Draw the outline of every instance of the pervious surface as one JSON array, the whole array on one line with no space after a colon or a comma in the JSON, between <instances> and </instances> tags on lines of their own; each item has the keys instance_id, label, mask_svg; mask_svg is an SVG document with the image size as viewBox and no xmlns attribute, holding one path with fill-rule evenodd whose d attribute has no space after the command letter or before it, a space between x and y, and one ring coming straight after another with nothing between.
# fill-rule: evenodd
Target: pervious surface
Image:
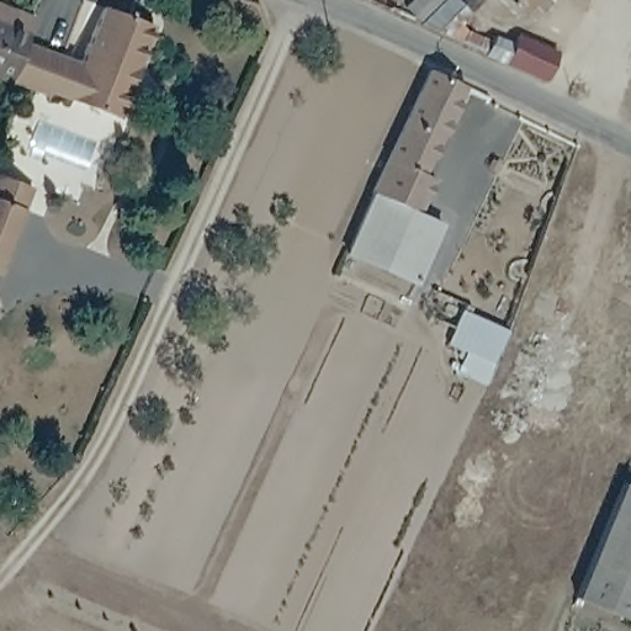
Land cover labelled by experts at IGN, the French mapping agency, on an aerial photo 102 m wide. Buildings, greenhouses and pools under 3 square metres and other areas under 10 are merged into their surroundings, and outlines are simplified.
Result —
<instances>
[{"instance_id":1,"label":"pervious surface","mask_svg":"<svg viewBox=\"0 0 631 631\"><path fill-rule=\"evenodd\" d=\"M229 148L212 168L205 185L202 197L190 217L190 224L173 254L165 279L158 301L150 306L136 338L136 345L104 407L99 426L79 458L79 463L62 478L67 481L62 493L39 513L35 523L27 527L27 535L20 540L20 545L5 557L5 562L0 562L0 592L32 560L39 545L67 518L69 510L81 513L96 493L96 488L111 491L113 481L126 478L133 471L138 454L150 441L140 439L133 431L128 421L128 409L136 404L138 397L160 397L168 404L168 412L180 409L185 404L185 394L197 397L200 382L170 380L165 370L158 365L155 352L168 330L170 320L177 316L177 293L182 288L182 281L195 269L197 256L207 249L207 229L217 219L227 187L251 138L251 131L264 111L264 104L281 71L283 59L291 52L296 30L313 17L311 7L288 0L259 0L259 10L254 12L259 22L269 30L269 42L264 52L259 59L259 71L237 116Z\"/></svg>"},{"instance_id":2,"label":"pervious surface","mask_svg":"<svg viewBox=\"0 0 631 631\"><path fill-rule=\"evenodd\" d=\"M466 495L456 505L458 527L476 525L483 510L481 495L483 486L493 476L493 451L481 451L476 456L476 463L466 461L466 471L461 476Z\"/></svg>"},{"instance_id":3,"label":"pervious surface","mask_svg":"<svg viewBox=\"0 0 631 631\"><path fill-rule=\"evenodd\" d=\"M589 286L589 279L596 269L599 246L606 242L609 227L614 222L614 205L619 200L621 187L631 190L631 158L606 148L601 140L592 136L574 136L574 128L527 108L525 104L510 101L503 94L495 94L488 84L466 79L463 71L456 69L456 64L444 52L426 54L421 59L419 54L399 44L362 32L352 25L348 25L345 32L352 32L392 54L399 54L429 74L441 71L468 89L491 94L491 101L486 106L493 108L500 118L510 121L513 111L520 111L520 123L530 126L537 136L567 148L592 145L596 153L596 180L589 197L584 229L579 232L579 246L574 251L574 271L569 283L564 286L564 298L557 298L555 291L540 293L535 313L542 320L547 320L547 328L542 335L530 338L540 340L537 355L518 355L518 389L500 389L508 412L495 414L493 421L505 444L515 444L527 429L557 429L560 424L560 412L567 407L572 394L572 367L579 362L582 350L592 350L592 343L582 343L577 338L564 335L564 330L572 323L567 311L569 303L579 301Z\"/></svg>"},{"instance_id":4,"label":"pervious surface","mask_svg":"<svg viewBox=\"0 0 631 631\"><path fill-rule=\"evenodd\" d=\"M631 136L631 0L552 0L550 10L547 15L540 15L530 30L535 35L552 39L560 47L562 59L557 74L550 81L545 81L523 69L515 69L510 62L500 62L498 71L503 76L523 81L537 91L552 94L564 106L584 108L594 116L601 116L621 126Z\"/></svg>"}]
</instances>

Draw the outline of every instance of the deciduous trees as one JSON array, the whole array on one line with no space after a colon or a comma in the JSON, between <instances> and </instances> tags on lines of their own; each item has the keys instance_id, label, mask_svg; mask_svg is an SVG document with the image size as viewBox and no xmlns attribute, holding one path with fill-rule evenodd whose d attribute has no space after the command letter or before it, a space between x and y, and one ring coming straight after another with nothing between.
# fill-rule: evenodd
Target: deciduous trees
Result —
<instances>
[{"instance_id":1,"label":"deciduous trees","mask_svg":"<svg viewBox=\"0 0 631 631\"><path fill-rule=\"evenodd\" d=\"M276 232L271 227L251 224L249 212L237 214L234 222L217 219L207 229L207 249L212 259L217 259L224 266L224 271L249 266L254 271L264 271L269 266L266 251L276 246Z\"/></svg>"},{"instance_id":2,"label":"deciduous trees","mask_svg":"<svg viewBox=\"0 0 631 631\"><path fill-rule=\"evenodd\" d=\"M69 335L79 343L84 352L94 355L104 348L116 350L128 340L128 333L116 330L116 313L111 311L111 306L84 308L76 313Z\"/></svg>"},{"instance_id":3,"label":"deciduous trees","mask_svg":"<svg viewBox=\"0 0 631 631\"><path fill-rule=\"evenodd\" d=\"M37 419L30 417L22 407L5 409L0 414L0 456L10 454L10 446L30 451L35 436Z\"/></svg>"},{"instance_id":4,"label":"deciduous trees","mask_svg":"<svg viewBox=\"0 0 631 631\"><path fill-rule=\"evenodd\" d=\"M158 441L165 434L168 412L168 404L160 397L138 397L136 404L128 409L128 421L133 431L140 439L150 441Z\"/></svg>"},{"instance_id":5,"label":"deciduous trees","mask_svg":"<svg viewBox=\"0 0 631 631\"><path fill-rule=\"evenodd\" d=\"M0 79L0 177L2 177L7 168L15 165L10 121L15 116L32 116L32 96L30 89L15 84L12 79Z\"/></svg>"},{"instance_id":6,"label":"deciduous trees","mask_svg":"<svg viewBox=\"0 0 631 631\"><path fill-rule=\"evenodd\" d=\"M291 52L311 74L318 74L323 69L340 69L343 59L338 35L330 25L313 17L296 30Z\"/></svg>"},{"instance_id":7,"label":"deciduous trees","mask_svg":"<svg viewBox=\"0 0 631 631\"><path fill-rule=\"evenodd\" d=\"M168 330L155 352L158 365L165 370L170 380L200 382L202 367L197 365L190 343L182 335Z\"/></svg>"},{"instance_id":8,"label":"deciduous trees","mask_svg":"<svg viewBox=\"0 0 631 631\"><path fill-rule=\"evenodd\" d=\"M145 7L150 15L163 15L165 20L190 25L192 0L140 0L140 7Z\"/></svg>"},{"instance_id":9,"label":"deciduous trees","mask_svg":"<svg viewBox=\"0 0 631 631\"><path fill-rule=\"evenodd\" d=\"M219 79L205 89L205 118L180 121L177 104L173 99L173 86L190 84L192 74L197 71L197 64L190 62L180 42L173 42L163 35L160 42L153 47L150 64L160 74L163 86L153 94L145 91L140 99L131 101L126 116L128 121L136 128L153 131L158 138L168 136L182 155L197 153L200 163L210 163L212 168L229 148L237 116L227 111L227 104L232 101L232 94L237 89L237 79L229 76L229 71L222 64Z\"/></svg>"},{"instance_id":10,"label":"deciduous trees","mask_svg":"<svg viewBox=\"0 0 631 631\"><path fill-rule=\"evenodd\" d=\"M118 232L121 251L131 259L136 269L143 269L148 276L165 279L173 254L190 224L190 217L202 197L205 185L173 182L165 190L170 195L168 212L138 207L136 217L126 217L118 210L113 229Z\"/></svg>"},{"instance_id":11,"label":"deciduous trees","mask_svg":"<svg viewBox=\"0 0 631 631\"><path fill-rule=\"evenodd\" d=\"M246 30L234 10L217 5L210 7L205 25L195 32L207 44L205 57L217 59L222 52L234 52L242 39L251 52L264 52L269 42L269 30L259 22L256 27Z\"/></svg>"},{"instance_id":12,"label":"deciduous trees","mask_svg":"<svg viewBox=\"0 0 631 631\"><path fill-rule=\"evenodd\" d=\"M207 343L210 350L227 348L227 325L254 306L251 293L242 283L237 288L227 288L224 298L219 298L219 293L205 296L195 308L185 308L180 313L180 320L187 325L187 330L197 335L202 343Z\"/></svg>"},{"instance_id":13,"label":"deciduous trees","mask_svg":"<svg viewBox=\"0 0 631 631\"><path fill-rule=\"evenodd\" d=\"M27 473L5 468L5 473L0 476L0 518L5 518L7 523L17 523L20 527L27 527L35 523L39 513L37 491Z\"/></svg>"},{"instance_id":14,"label":"deciduous trees","mask_svg":"<svg viewBox=\"0 0 631 631\"><path fill-rule=\"evenodd\" d=\"M138 197L143 190L148 190L153 177L153 153L143 153L143 138L133 136L126 145L121 145L123 155L116 165L106 168L104 163L99 163L99 170L113 190L113 200Z\"/></svg>"},{"instance_id":15,"label":"deciduous trees","mask_svg":"<svg viewBox=\"0 0 631 631\"><path fill-rule=\"evenodd\" d=\"M271 197L269 210L276 219L286 224L286 219L293 214L293 205L286 192L276 192Z\"/></svg>"},{"instance_id":16,"label":"deciduous trees","mask_svg":"<svg viewBox=\"0 0 631 631\"><path fill-rule=\"evenodd\" d=\"M47 330L42 335L35 335L35 345L27 348L22 355L22 365L30 372L42 372L54 362L52 333Z\"/></svg>"}]
</instances>

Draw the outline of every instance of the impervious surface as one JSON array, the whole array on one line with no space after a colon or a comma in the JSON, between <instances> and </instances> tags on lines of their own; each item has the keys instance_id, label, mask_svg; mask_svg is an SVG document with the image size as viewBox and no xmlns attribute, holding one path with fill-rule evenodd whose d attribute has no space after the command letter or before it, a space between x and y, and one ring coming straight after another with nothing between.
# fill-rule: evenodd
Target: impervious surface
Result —
<instances>
[{"instance_id":1,"label":"impervious surface","mask_svg":"<svg viewBox=\"0 0 631 631\"><path fill-rule=\"evenodd\" d=\"M106 259L108 237L113 229L118 210L106 214L99 237L86 249L59 244L44 227L44 180L49 177L59 195L69 195L74 200L81 197L84 187L96 187L99 170L99 163L104 145L113 138L116 131L123 131L128 126L128 121L126 116L94 108L89 104L71 104L59 94L49 101L44 94L32 96L32 116L15 116L10 121L15 165L7 168L2 177L20 182L32 180L35 197L30 205L32 217L27 219L25 232L17 242L7 276L0 279L0 318L2 303L22 303L25 298L49 293L71 298L76 291L94 288L104 296L121 291L136 298L138 293L145 293L150 298L150 306L158 301L165 279L148 276L140 276L138 271L131 271Z\"/></svg>"},{"instance_id":2,"label":"impervious surface","mask_svg":"<svg viewBox=\"0 0 631 631\"><path fill-rule=\"evenodd\" d=\"M582 599L587 592L592 572L614 525L614 518L631 486L631 463L621 463L616 468L606 498L599 508L599 515L592 525L592 532L572 574L572 596L577 599Z\"/></svg>"},{"instance_id":3,"label":"impervious surface","mask_svg":"<svg viewBox=\"0 0 631 631\"><path fill-rule=\"evenodd\" d=\"M311 7L313 17L330 25L338 35L345 32L348 25L352 25L362 32L399 44L419 54L421 59L426 54L444 52L456 64L456 69L463 71L466 79L488 84L495 94L503 94L510 101L525 104L527 108L574 128L574 136L592 136L601 140L606 148L631 158L631 136L621 126L601 116L594 116L584 108L564 106L552 94L537 91L523 81L503 76L498 71L500 62L493 57L493 47L488 42L481 44L471 35L466 39L451 39L446 30L434 32L419 25L414 15L404 12L414 0L288 0Z\"/></svg>"},{"instance_id":4,"label":"impervious surface","mask_svg":"<svg viewBox=\"0 0 631 631\"><path fill-rule=\"evenodd\" d=\"M74 59L86 59L86 49L91 44L96 27L101 25L106 7L136 15L140 7L140 0L44 0L39 30L35 32L32 42L47 49L49 54L62 52L64 57Z\"/></svg>"},{"instance_id":5,"label":"impervious surface","mask_svg":"<svg viewBox=\"0 0 631 631\"><path fill-rule=\"evenodd\" d=\"M446 340L454 340L463 313L473 313L478 308L468 303L468 298L446 288L444 276L454 271L454 261L458 259L461 246L468 242L468 227L483 202L486 185L493 175L493 163L505 158L505 150L520 123L520 111L513 111L510 121L500 118L493 108L486 106L491 101L491 94L468 89L471 101L461 116L461 126L444 145L439 145L441 160L434 165L441 175L441 182L434 185L436 197L429 205L426 214L446 222L449 232L436 251L436 259L429 269L429 283L421 288L417 303L419 311L426 313L426 318L446 323Z\"/></svg>"}]
</instances>

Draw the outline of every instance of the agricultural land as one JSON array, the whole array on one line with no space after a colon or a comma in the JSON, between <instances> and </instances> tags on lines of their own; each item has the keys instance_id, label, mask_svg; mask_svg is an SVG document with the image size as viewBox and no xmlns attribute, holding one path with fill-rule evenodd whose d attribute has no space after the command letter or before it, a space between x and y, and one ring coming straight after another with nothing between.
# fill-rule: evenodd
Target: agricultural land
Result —
<instances>
[{"instance_id":1,"label":"agricultural land","mask_svg":"<svg viewBox=\"0 0 631 631\"><path fill-rule=\"evenodd\" d=\"M352 251L357 232L372 205L377 182L392 158L392 150L412 116L412 108L429 74L399 54L392 54L352 32L345 32L338 35L343 59L340 69L323 69L318 74L311 74L291 52L283 59L281 71L264 104L264 111L251 131L251 138L227 187L217 219L234 222L237 214L249 212L251 224L271 227L276 232L276 246L266 251L269 266L264 271L254 271L249 266L224 271L224 266L217 259L212 259L207 249L197 256L195 269L182 281L182 288L177 293L177 316L170 320L168 330L182 335L190 343L197 365L202 367L200 382L197 397L185 394L185 404L180 409L168 412L165 434L158 441L150 441L138 454L133 471L126 478L113 481L111 491L96 488L96 493L81 513L69 510L67 518L39 545L32 560L0 592L0 631L377 631L387 604L392 601L392 594L397 592L399 577L409 562L417 535L451 468L454 456L458 454L461 441L466 439L466 431L488 385L461 377L466 357L461 348L454 345L454 340L446 340L446 323L426 318L426 313L419 311L417 303L412 308L402 308L394 325L367 318L360 313L362 293L350 283L343 283L338 274L345 266L348 254ZM276 219L269 210L271 197L276 192L286 192L293 205L293 214L286 219L286 224ZM197 335L187 330L187 325L180 320L180 313L185 308L195 308L205 296L219 293L219 298L224 298L227 288L237 288L242 283L251 293L254 306L227 325L227 348L210 350L207 343L202 343ZM397 343L402 343L402 355L397 357L392 377L380 394L367 431L360 439L357 454L348 466L348 473L343 476L343 486L335 495L335 503L328 508L320 535L311 547L311 557L306 560L301 577L293 584L293 592L288 594L288 606L281 611L281 624L274 624L276 606L281 604L293 567L298 564L301 550L316 525L323 500L328 500L330 486L335 483L335 476L345 461L345 454L352 444L367 402L375 394L375 387ZM424 355L389 424L389 431L382 434L380 424L389 412L389 404L407 375L407 367L417 348L424 348ZM281 389L298 389L301 377L306 377L311 367L320 367L323 355L328 355L328 365L318 380L318 387L311 402L298 407L298 414L293 417L283 436L283 444L256 495L256 503L227 562L212 604L195 601L192 594L202 562L239 491L239 483L249 468L249 461L269 424L269 417L281 397ZM412 525L402 545L394 545L394 535L399 530L404 513L409 510L409 503L419 483L426 483L426 493L412 518Z\"/></svg>"},{"instance_id":2,"label":"agricultural land","mask_svg":"<svg viewBox=\"0 0 631 631\"><path fill-rule=\"evenodd\" d=\"M599 621L584 621L579 631L631 631L631 629L624 626L621 616L601 616Z\"/></svg>"}]
</instances>

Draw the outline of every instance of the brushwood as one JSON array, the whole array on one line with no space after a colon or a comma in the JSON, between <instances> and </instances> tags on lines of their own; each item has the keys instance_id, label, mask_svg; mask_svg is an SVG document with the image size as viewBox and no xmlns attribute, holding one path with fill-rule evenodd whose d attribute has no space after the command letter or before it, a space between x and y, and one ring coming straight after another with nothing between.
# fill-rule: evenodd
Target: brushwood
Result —
<instances>
[{"instance_id":1,"label":"brushwood","mask_svg":"<svg viewBox=\"0 0 631 631\"><path fill-rule=\"evenodd\" d=\"M237 79L237 89L232 94L232 101L227 104L227 111L237 116L259 71L259 59L249 54Z\"/></svg>"},{"instance_id":2,"label":"brushwood","mask_svg":"<svg viewBox=\"0 0 631 631\"><path fill-rule=\"evenodd\" d=\"M345 454L345 461L335 476L335 483L330 486L328 500L323 500L316 525L301 550L298 564L293 567L281 604L276 606L274 624L281 624L281 611L288 606L288 594L293 592L293 584L301 577L306 560L311 557L311 547L320 535L328 508L335 503L335 495L343 486L343 476L348 473L348 466L357 454L360 439L367 431L380 394L392 377L397 357L402 355L402 343L397 343L375 387L375 394L367 402L352 444Z\"/></svg>"},{"instance_id":3,"label":"brushwood","mask_svg":"<svg viewBox=\"0 0 631 631\"><path fill-rule=\"evenodd\" d=\"M128 320L128 333L128 340L116 350L74 444L71 449L79 458L99 426L104 407L136 345L136 338L150 306L150 298L145 293L138 293L136 298L136 308Z\"/></svg>"},{"instance_id":4,"label":"brushwood","mask_svg":"<svg viewBox=\"0 0 631 631\"><path fill-rule=\"evenodd\" d=\"M409 503L409 510L404 513L399 530L394 535L394 545L402 545L412 525L412 518L426 493L426 483L419 483Z\"/></svg>"},{"instance_id":5,"label":"brushwood","mask_svg":"<svg viewBox=\"0 0 631 631\"><path fill-rule=\"evenodd\" d=\"M525 207L525 222L532 229L532 242L527 246L525 274L530 274L535 266L545 229L557 205L555 200L547 200L547 207L542 210L540 219L532 219L532 205Z\"/></svg>"},{"instance_id":6,"label":"brushwood","mask_svg":"<svg viewBox=\"0 0 631 631\"><path fill-rule=\"evenodd\" d=\"M505 316L495 316L491 311L478 308L473 313L483 320L508 328L523 301L525 286L520 281L513 288Z\"/></svg>"},{"instance_id":7,"label":"brushwood","mask_svg":"<svg viewBox=\"0 0 631 631\"><path fill-rule=\"evenodd\" d=\"M380 424L382 434L389 431L389 424L424 355L424 348L417 348L407 367L407 375L389 404L389 412Z\"/></svg>"}]
</instances>

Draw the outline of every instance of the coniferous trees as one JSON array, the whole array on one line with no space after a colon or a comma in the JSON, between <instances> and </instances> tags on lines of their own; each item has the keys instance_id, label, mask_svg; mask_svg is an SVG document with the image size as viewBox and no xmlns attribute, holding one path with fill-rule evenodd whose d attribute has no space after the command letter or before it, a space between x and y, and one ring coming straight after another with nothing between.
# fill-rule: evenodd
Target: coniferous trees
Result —
<instances>
[{"instance_id":1,"label":"coniferous trees","mask_svg":"<svg viewBox=\"0 0 631 631\"><path fill-rule=\"evenodd\" d=\"M62 478L79 463L79 458L71 449L74 444L67 444L62 439L59 444L47 446L35 436L30 451L42 473Z\"/></svg>"}]
</instances>

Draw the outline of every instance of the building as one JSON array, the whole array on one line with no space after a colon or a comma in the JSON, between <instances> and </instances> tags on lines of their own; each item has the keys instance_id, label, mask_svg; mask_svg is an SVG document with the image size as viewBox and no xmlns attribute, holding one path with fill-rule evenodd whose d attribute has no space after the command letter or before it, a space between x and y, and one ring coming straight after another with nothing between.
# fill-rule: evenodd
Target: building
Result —
<instances>
[{"instance_id":1,"label":"building","mask_svg":"<svg viewBox=\"0 0 631 631\"><path fill-rule=\"evenodd\" d=\"M577 599L577 609L601 616L621 616L624 626L631 629L631 486L614 518L614 525L592 572L587 592L582 599Z\"/></svg>"},{"instance_id":2,"label":"building","mask_svg":"<svg viewBox=\"0 0 631 631\"><path fill-rule=\"evenodd\" d=\"M436 197L434 185L441 182L441 175L434 165L441 160L439 145L444 145L461 126L461 116L471 101L468 89L441 71L429 74L412 108L412 116L392 150L392 158L377 182L372 205L357 232L352 251L348 254L345 266L338 274L343 283L350 283L362 293L380 296L389 306L402 308L412 308L417 303L421 288L429 283L429 269L436 259L436 251L449 232L446 222L426 214L429 205Z\"/></svg>"},{"instance_id":3,"label":"building","mask_svg":"<svg viewBox=\"0 0 631 631\"><path fill-rule=\"evenodd\" d=\"M454 345L461 348L466 357L461 377L488 385L510 340L508 328L483 320L473 313L463 313L454 340Z\"/></svg>"},{"instance_id":4,"label":"building","mask_svg":"<svg viewBox=\"0 0 631 631\"><path fill-rule=\"evenodd\" d=\"M530 0L530 7L525 12L540 7L550 10L552 0Z\"/></svg>"},{"instance_id":5,"label":"building","mask_svg":"<svg viewBox=\"0 0 631 631\"><path fill-rule=\"evenodd\" d=\"M552 39L535 35L530 30L481 30L476 25L468 25L466 30L454 27L451 20L461 15L463 7L478 10L488 0L414 0L404 12L414 15L419 25L434 32L446 30L451 39L466 39L471 35L481 44L488 42L493 47L493 57L500 62L510 62L515 69L523 69L545 81L550 81L557 74L562 59L560 47Z\"/></svg>"},{"instance_id":6,"label":"building","mask_svg":"<svg viewBox=\"0 0 631 631\"><path fill-rule=\"evenodd\" d=\"M86 59L74 59L64 57L62 52L49 54L47 49L32 42L35 32L39 30L44 0L0 0L0 79L12 79L15 84L30 89L32 96L44 94L49 101L59 94L71 104L89 104L94 108L126 116L131 101L131 86L136 86L143 79L143 69L150 64L153 47L160 42L163 35L160 30L155 30L153 20L143 20L136 15L106 7L101 25L96 27L91 44L86 49Z\"/></svg>"},{"instance_id":7,"label":"building","mask_svg":"<svg viewBox=\"0 0 631 631\"><path fill-rule=\"evenodd\" d=\"M0 279L7 276L17 242L25 232L27 219L32 217L30 205L35 197L32 180L20 182L2 177L0 177Z\"/></svg>"}]
</instances>

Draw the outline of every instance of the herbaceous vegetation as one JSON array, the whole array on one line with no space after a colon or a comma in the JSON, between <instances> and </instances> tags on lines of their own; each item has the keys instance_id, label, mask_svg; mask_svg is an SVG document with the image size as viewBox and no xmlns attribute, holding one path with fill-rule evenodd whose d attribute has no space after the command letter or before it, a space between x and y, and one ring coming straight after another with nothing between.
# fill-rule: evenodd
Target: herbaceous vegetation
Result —
<instances>
[{"instance_id":1,"label":"herbaceous vegetation","mask_svg":"<svg viewBox=\"0 0 631 631\"><path fill-rule=\"evenodd\" d=\"M323 355L320 367L311 367L306 377L301 377L298 389L281 389L281 397L269 417L269 424L249 461L249 468L239 483L239 491L202 562L192 594L195 601L212 604L227 562L256 503L256 495L283 444L283 436L293 417L298 414L298 407L311 402L318 387L318 380L328 365L328 355Z\"/></svg>"},{"instance_id":2,"label":"herbaceous vegetation","mask_svg":"<svg viewBox=\"0 0 631 631\"><path fill-rule=\"evenodd\" d=\"M488 0L478 10L463 7L461 15L451 20L454 27L466 30L468 25L476 25L481 30L530 30L540 15L547 15L550 10L540 7L525 12L530 7L530 0Z\"/></svg>"},{"instance_id":3,"label":"herbaceous vegetation","mask_svg":"<svg viewBox=\"0 0 631 631\"><path fill-rule=\"evenodd\" d=\"M108 237L106 259L131 271L138 271L140 276L148 276L143 269L136 269L131 259L121 251L118 232L113 229Z\"/></svg>"},{"instance_id":4,"label":"herbaceous vegetation","mask_svg":"<svg viewBox=\"0 0 631 631\"><path fill-rule=\"evenodd\" d=\"M579 232L584 229L589 197L596 180L596 153L592 145L567 148L537 136L530 126L520 123L505 150L505 158L493 163L493 175L486 185L483 202L468 227L468 242L461 246L458 259L454 261L454 271L444 276L446 288L468 298L468 303L478 308L491 311L495 316L505 316L513 288L520 281L525 286L523 301L508 328L510 340L488 385L466 431L466 439L461 441L458 454L454 456L451 468L417 535L409 562L399 577L397 592L392 594L392 601L387 604L377 631L579 631L584 621L599 621L601 616L577 609L577 599L572 596L572 574L592 532L592 525L599 515L599 508L606 498L616 468L621 463L631 463L631 190L621 187L619 200L614 205L614 222L609 227L606 242L599 246L596 269L589 279L589 286L579 301L569 303L567 311L572 323L564 330L564 335L577 338L582 343L592 343L592 350L582 350L579 362L572 367L572 394L567 407L560 412L560 424L557 429L527 429L515 444L505 444L493 421L495 414L508 412L500 389L518 389L518 355L537 355L540 340L530 338L542 335L547 328L547 320L542 320L535 313L540 293L555 291L557 298L564 298L564 286L569 283L574 271L574 251L579 246ZM532 205L532 219L540 219L542 210L547 207L547 200L555 200L557 205L545 229L535 266L530 274L525 274L527 246L532 242L532 229L525 222L525 207ZM466 461L476 463L476 456L481 451L493 451L493 476L483 486L481 495L483 510L476 525L458 527L456 505L466 495L461 476L466 471Z\"/></svg>"},{"instance_id":5,"label":"herbaceous vegetation","mask_svg":"<svg viewBox=\"0 0 631 631\"><path fill-rule=\"evenodd\" d=\"M0 562L5 562L5 557L20 545L20 540L27 535L27 527L20 527L17 523L7 523L5 518L0 518Z\"/></svg>"},{"instance_id":6,"label":"herbaceous vegetation","mask_svg":"<svg viewBox=\"0 0 631 631\"><path fill-rule=\"evenodd\" d=\"M121 291L104 296L94 288L76 291L71 298L49 293L25 298L22 303L2 303L0 318L0 414L5 409L22 407L30 417L37 419L35 436L47 446L59 444L62 439L67 444L74 444L116 350L104 348L94 355L84 352L79 343L69 335L76 313L84 308L111 306L111 311L116 313L116 330L128 333L128 320L136 308L136 298ZM42 372L30 372L22 365L22 355L27 348L35 345L35 335L42 335L47 330L52 333L54 362Z\"/></svg>"},{"instance_id":7,"label":"herbaceous vegetation","mask_svg":"<svg viewBox=\"0 0 631 631\"><path fill-rule=\"evenodd\" d=\"M138 197L113 200L113 190L99 170L96 187L84 187L81 197L74 200L69 195L59 195L49 177L44 180L44 227L59 244L86 249L99 237L106 214L118 210L126 217L136 217L138 207L168 212L170 195L165 190L173 182L205 185L212 168L210 163L200 163L197 153L182 155L168 136L158 138L153 131L136 128L128 121L128 126L123 131L116 131L113 138L104 145L99 163L104 163L106 168L116 165L123 155L121 145L126 145L133 136L143 138L143 153L153 153L153 177L148 190L143 190Z\"/></svg>"},{"instance_id":8,"label":"herbaceous vegetation","mask_svg":"<svg viewBox=\"0 0 631 631\"><path fill-rule=\"evenodd\" d=\"M5 468L27 473L37 491L39 513L62 493L67 481L62 478L42 473L30 451L10 446L10 454L0 456L0 476L5 473Z\"/></svg>"},{"instance_id":9,"label":"herbaceous vegetation","mask_svg":"<svg viewBox=\"0 0 631 631\"><path fill-rule=\"evenodd\" d=\"M153 94L163 86L160 74L150 64L143 69L143 79L136 86L131 86L131 101L140 99L145 91Z\"/></svg>"},{"instance_id":10,"label":"herbaceous vegetation","mask_svg":"<svg viewBox=\"0 0 631 631\"><path fill-rule=\"evenodd\" d=\"M402 308L389 306L380 296L362 293L360 313L367 318L394 325Z\"/></svg>"},{"instance_id":11,"label":"herbaceous vegetation","mask_svg":"<svg viewBox=\"0 0 631 631\"><path fill-rule=\"evenodd\" d=\"M259 22L254 12L259 10L259 0L192 0L190 25L165 20L163 15L150 15L145 7L140 7L136 15L143 20L153 20L155 30L160 30L163 35L173 42L180 42L190 62L197 64L197 71L192 74L190 84L173 86L173 99L177 104L180 121L205 118L205 89L219 79L222 64L229 71L229 76L237 79L249 54L259 59L264 52L251 52L242 39L234 52L222 52L217 59L205 57L207 44L195 32L205 25L210 7L217 5L234 10L246 30L256 27Z\"/></svg>"}]
</instances>

